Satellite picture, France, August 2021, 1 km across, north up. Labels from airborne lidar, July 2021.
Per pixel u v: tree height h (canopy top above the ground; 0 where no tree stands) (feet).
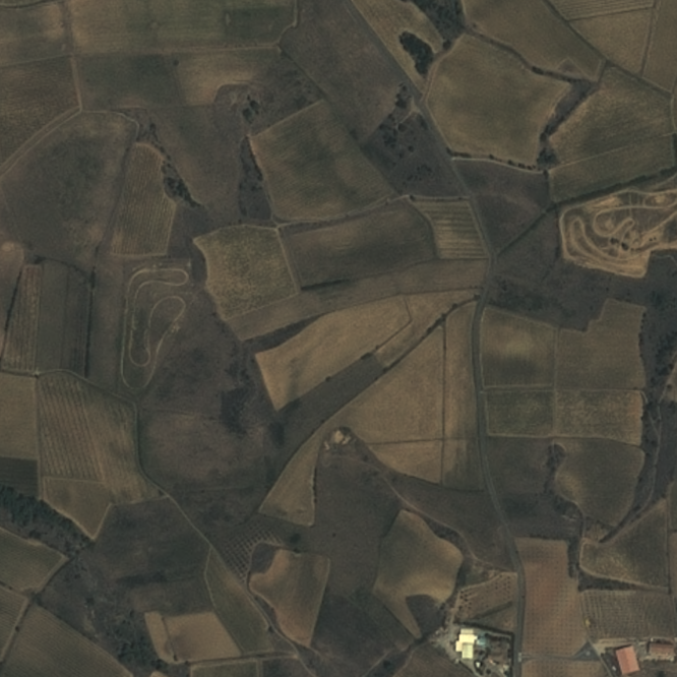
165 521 0
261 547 0
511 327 0
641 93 0
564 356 0
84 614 0
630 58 0
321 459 0
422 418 0
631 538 0
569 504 0
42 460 0
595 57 0
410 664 0
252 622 0
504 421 0
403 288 0
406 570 0
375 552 0
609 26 0
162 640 0
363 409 0
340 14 0
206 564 0
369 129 0
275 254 0
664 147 0
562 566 0
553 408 0
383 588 0
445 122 0
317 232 0
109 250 0
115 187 0
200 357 0
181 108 0
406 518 0
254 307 0
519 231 0
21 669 0
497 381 0
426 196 0
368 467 0
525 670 0
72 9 0
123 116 0
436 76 0
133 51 0
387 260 0
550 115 0
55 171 0
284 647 0
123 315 0
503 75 0
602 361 0
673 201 0
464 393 0
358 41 0
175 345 0
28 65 0
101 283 0
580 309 0
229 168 0
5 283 0
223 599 0
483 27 0
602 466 0
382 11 0
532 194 0
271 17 0
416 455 0
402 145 0
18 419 0
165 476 0
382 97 0
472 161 0
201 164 0
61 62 0
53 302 0
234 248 0
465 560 0
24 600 0
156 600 0
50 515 52
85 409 0
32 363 0
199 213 0
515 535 0
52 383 0
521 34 0
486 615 0
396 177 0
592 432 0
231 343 0
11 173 0
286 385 0
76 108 0
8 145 0
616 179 0
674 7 0
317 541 0
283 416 0
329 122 0
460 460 0
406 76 0
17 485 0
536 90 0
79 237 0
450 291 0
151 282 0
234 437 0
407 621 0
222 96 0
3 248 0
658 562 0
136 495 0
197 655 0
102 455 0
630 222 0
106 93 0
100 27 0
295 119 0
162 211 0
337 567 0
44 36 0
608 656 0
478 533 0
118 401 0
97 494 0
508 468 0
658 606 0
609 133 0
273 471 0
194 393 0
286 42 0
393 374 0
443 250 0
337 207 0
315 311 0
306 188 0
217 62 0
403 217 0
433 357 0
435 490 0
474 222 0
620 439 0
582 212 0
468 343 0
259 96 0
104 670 0
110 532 0
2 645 0
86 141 0
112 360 0
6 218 0
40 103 0
